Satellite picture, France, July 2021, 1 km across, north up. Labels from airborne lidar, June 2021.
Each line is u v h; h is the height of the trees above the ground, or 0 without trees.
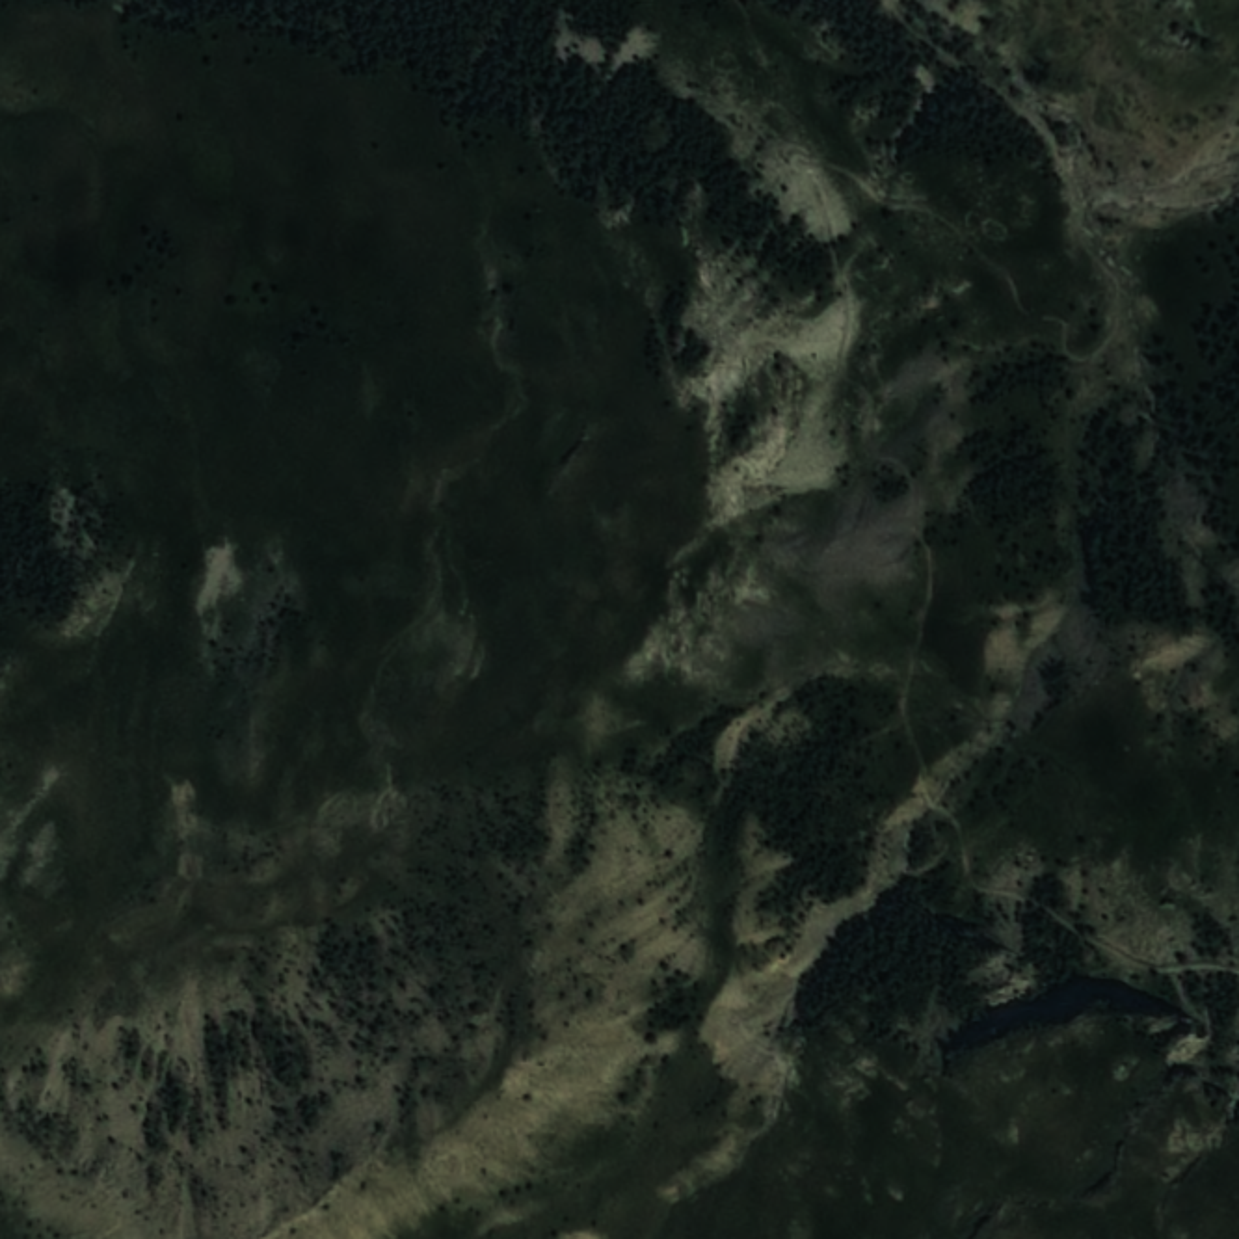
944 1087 0
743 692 0
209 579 0
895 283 0
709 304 0
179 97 0
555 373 0
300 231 0
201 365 0
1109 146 0
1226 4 0
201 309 0
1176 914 0
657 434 0
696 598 0
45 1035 0
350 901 0
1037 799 0
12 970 0
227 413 0
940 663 0
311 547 0
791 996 0
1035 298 0
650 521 0
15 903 0
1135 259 0
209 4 14
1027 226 0
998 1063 0
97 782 0
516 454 0
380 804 0
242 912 0
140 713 0
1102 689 0
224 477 0
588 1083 0
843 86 7
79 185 0
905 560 0
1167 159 0
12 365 0
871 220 0
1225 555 11
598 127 14
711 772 8
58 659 0
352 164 0
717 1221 0
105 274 0
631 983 0
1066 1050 0
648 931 0
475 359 0
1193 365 0
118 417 0
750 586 0
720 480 0
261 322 0
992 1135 0
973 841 0
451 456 0
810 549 0
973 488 13
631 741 0
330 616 0
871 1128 0
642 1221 0
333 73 0
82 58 0
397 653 0
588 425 0
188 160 0
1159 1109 0
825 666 0
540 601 0
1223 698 0
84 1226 0
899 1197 0
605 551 0
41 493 8
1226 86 0
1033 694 0
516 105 12
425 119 0
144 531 0
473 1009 7
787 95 0
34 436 0
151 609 0
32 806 0
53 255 0
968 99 21
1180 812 0
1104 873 0
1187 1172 0
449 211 0
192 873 0
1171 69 0
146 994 0
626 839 0
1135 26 0
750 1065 0
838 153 0
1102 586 13
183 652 0
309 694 0
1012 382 10
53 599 6
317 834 0
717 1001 0
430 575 0
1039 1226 0
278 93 0
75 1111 0
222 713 0
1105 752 0
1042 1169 0
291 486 0
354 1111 0
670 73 0
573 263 0
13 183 0
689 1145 0
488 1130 0
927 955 7
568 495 0
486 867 0
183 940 0
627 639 0
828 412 0
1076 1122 0
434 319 0
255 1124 0
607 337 0
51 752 0
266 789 0
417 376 0
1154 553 12
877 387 0
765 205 9
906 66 12
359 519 0
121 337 0
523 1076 0
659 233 0
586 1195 0
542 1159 0
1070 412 0
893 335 0
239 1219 0
